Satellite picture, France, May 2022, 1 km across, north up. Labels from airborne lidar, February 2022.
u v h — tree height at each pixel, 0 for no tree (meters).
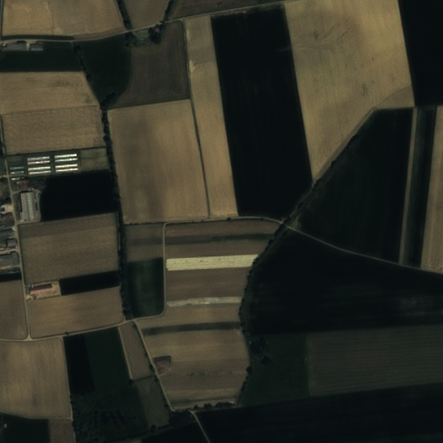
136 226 0
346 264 0
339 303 0
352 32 0
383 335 0
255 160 0
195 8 0
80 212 0
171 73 0
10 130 0
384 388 0
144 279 0
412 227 0
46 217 0
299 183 0
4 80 0
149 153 0
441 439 0
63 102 0
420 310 0
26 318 0
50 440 0
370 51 0
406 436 0
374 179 0
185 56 0
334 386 0
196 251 0
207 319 0
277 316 0
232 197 0
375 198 0
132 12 0
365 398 0
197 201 0
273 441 0
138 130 0
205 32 0
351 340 0
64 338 0
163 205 0
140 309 0
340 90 0
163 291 0
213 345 0
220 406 12
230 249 0
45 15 0
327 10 0
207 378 0
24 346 0
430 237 0
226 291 0
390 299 0
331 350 0
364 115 0
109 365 0
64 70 0
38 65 0
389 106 0
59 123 0
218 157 0
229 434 0
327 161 0
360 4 0
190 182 0
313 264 0
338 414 0
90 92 0
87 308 0
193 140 0
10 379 0
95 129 0
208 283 0
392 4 0
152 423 0
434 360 0
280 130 0
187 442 0
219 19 0
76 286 0
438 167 0
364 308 0
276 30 0
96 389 0
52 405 0
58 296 0
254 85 0
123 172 0
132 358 0
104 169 0
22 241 0
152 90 0
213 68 0
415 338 0
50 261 0
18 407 0
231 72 0
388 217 0
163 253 0
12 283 0
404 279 0
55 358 0
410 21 0
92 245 0
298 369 0
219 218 0
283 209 0
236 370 0
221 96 0
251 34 0
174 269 0
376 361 0
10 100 0
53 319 0
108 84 0
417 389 0
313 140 0
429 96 0
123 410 0
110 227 0
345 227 0
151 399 0
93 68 0
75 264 0
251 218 0
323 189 0
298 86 0
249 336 0
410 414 0
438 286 0
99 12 0
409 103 0
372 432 0
